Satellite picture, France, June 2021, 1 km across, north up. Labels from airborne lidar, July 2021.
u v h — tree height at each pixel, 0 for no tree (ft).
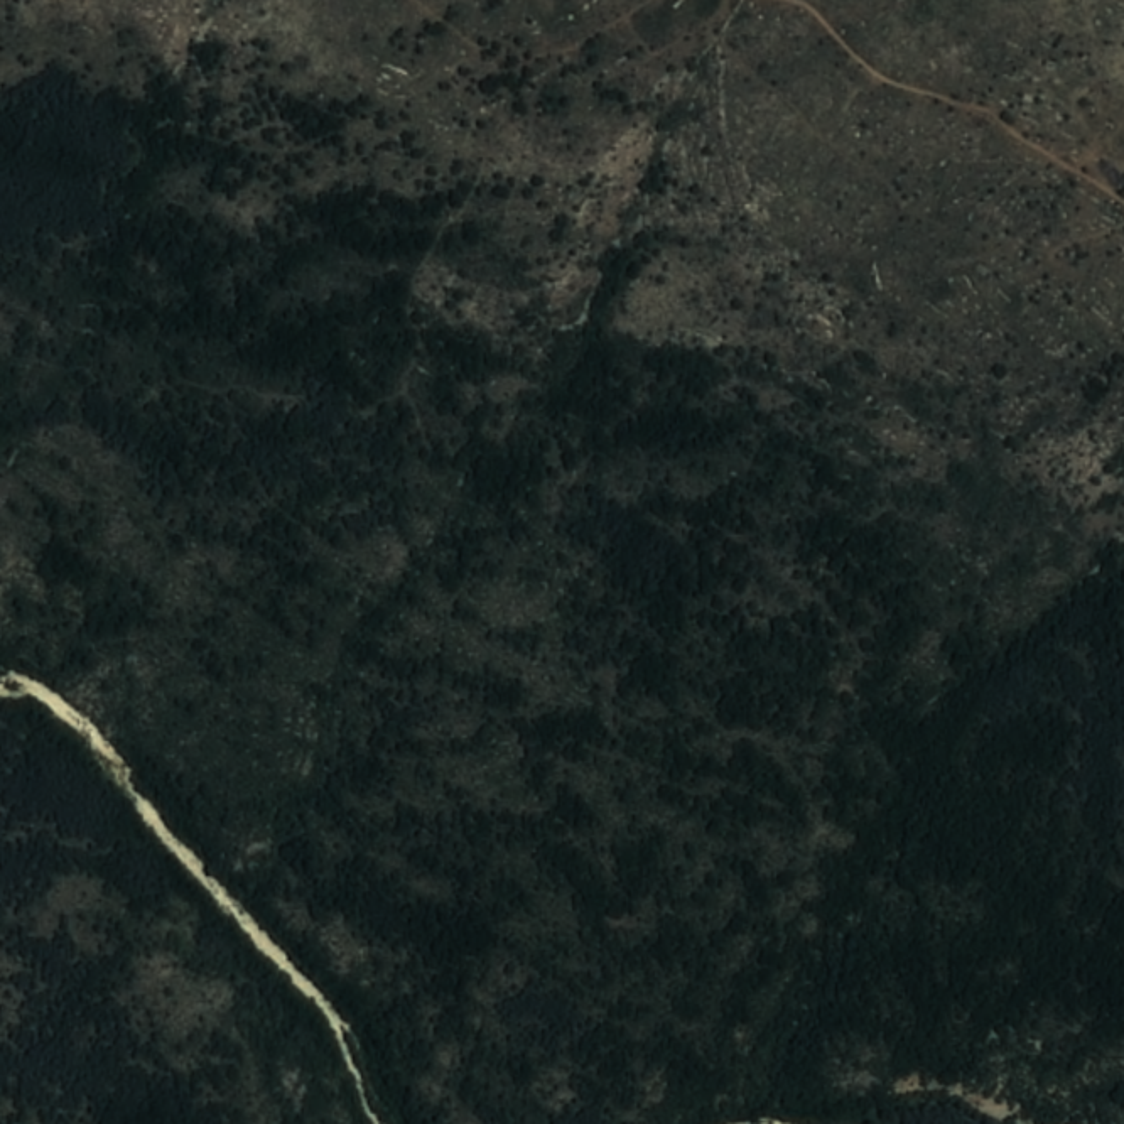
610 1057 30
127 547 0
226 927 35
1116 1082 19
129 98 17
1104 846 31
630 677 33
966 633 28
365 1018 23
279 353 31
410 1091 36
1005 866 24
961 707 36
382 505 26
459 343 31
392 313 23
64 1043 39
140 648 0
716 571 35
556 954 18
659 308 0
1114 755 33
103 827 44
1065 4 0
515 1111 24
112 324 21
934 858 22
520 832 23
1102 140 0
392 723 26
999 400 18
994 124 0
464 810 30
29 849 38
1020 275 0
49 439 0
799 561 21
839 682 0
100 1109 31
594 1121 38
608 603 38
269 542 25
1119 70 0
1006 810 26
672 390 23
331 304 30
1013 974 21
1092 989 34
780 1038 31
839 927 26
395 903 20
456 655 0
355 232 36
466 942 36
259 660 25
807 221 0
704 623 34
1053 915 27
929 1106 49
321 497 30
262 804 24
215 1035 26
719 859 25
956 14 0
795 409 29
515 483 38
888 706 26
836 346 0
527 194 26
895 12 0
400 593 35
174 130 20
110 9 0
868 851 28
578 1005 24
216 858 21
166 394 26
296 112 29
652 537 44
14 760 42
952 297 0
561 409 29
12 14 21
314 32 0
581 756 28
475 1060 27
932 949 34
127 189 30
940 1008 34
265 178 21
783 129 0
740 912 27
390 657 18
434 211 26
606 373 32
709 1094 31
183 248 23
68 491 0
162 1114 31
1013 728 26
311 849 31
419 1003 19
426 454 36
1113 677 32
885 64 0
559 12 0
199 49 31
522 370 26
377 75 0
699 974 20
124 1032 31
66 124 40
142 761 33
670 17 0
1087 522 0
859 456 0
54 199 52
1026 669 37
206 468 28
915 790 26
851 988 28
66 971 38
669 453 19
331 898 22
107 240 40
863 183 0
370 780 23
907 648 20
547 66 0
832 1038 20
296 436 21
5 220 51
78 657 31
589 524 30
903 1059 35
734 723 28
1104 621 36
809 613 28
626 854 29
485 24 0
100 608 40
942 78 0
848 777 35
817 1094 26
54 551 32
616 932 19
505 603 0
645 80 0
